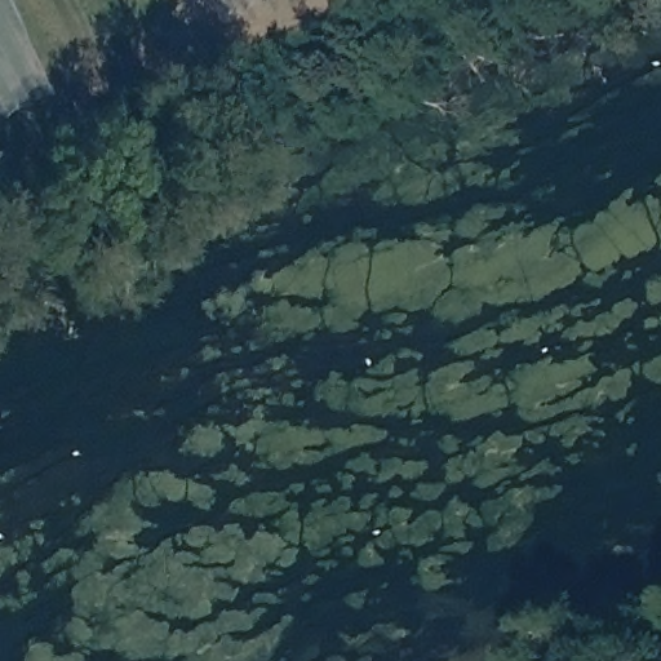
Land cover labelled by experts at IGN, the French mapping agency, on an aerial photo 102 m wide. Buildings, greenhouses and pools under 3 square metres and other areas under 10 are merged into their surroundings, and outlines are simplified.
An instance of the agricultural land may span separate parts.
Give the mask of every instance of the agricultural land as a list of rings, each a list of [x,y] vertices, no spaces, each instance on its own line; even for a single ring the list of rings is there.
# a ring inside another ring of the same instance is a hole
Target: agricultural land
[[[150,88],[160,83],[170,65],[176,65],[183,57],[183,46],[188,41],[194,46],[214,49],[243,41],[245,34],[266,34],[271,41],[276,41],[287,36],[284,28],[289,26],[320,21],[318,13],[328,8],[328,0],[0,0],[0,160],[8,168],[21,168],[41,160],[44,155],[52,155],[54,132],[83,114],[101,111],[108,121],[111,111],[121,98],[121,90]]]

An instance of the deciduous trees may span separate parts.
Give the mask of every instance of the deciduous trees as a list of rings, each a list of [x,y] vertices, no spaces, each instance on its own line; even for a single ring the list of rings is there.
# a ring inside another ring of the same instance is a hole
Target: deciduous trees
[[[661,661],[661,589],[648,586],[640,594],[640,604],[612,604],[599,620],[576,615],[558,604],[550,604],[545,609],[524,607],[519,615],[501,617],[501,633],[496,635],[496,643],[485,651],[483,661]]]
[[[385,119],[418,116],[426,101],[442,101],[442,93],[454,90],[454,77],[460,70],[475,70],[480,62],[491,65],[496,57],[506,59],[509,49],[534,46],[534,41],[560,39],[563,31],[568,31],[571,36],[589,36],[602,52],[635,57],[638,44],[630,28],[640,26],[646,36],[653,36],[661,44],[661,0],[328,0],[328,8],[318,13],[320,21],[289,26],[284,28],[287,36],[276,41],[271,41],[266,34],[245,34],[243,41],[214,49],[194,46],[188,41],[183,46],[183,57],[176,65],[170,65],[160,83],[150,88],[121,90],[121,98],[111,111],[108,121],[101,111],[83,114],[54,132],[52,155],[44,155],[41,160],[21,168],[8,168],[0,160],[0,356],[8,351],[13,331],[39,331],[49,318],[49,310],[59,310],[62,302],[49,297],[57,292],[57,279],[67,276],[88,315],[139,320],[145,305],[160,305],[163,297],[173,289],[173,271],[188,271],[199,266],[204,261],[209,240],[235,235],[240,230],[248,230],[250,219],[281,212],[284,212],[287,199],[297,188],[294,183],[302,176],[315,173],[307,165],[307,158],[312,152],[325,155],[333,139],[364,142],[372,132],[377,132],[377,127]]]

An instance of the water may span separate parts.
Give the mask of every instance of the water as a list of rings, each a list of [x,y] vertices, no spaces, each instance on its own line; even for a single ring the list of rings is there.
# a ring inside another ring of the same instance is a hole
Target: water
[[[26,661],[31,643],[52,646],[54,656],[72,653],[67,622],[72,620],[75,565],[72,560],[65,560],[52,571],[44,571],[44,560],[49,560],[59,550],[90,550],[98,537],[77,534],[80,522],[111,496],[119,480],[137,473],[173,473],[176,478],[194,480],[214,491],[212,509],[199,509],[191,501],[163,501],[160,506],[145,506],[142,501],[134,501],[132,511],[139,519],[150,522],[150,529],[142,529],[134,537],[134,545],[152,550],[160,547],[160,542],[165,542],[168,537],[183,534],[194,527],[222,529],[227,524],[238,524],[248,537],[253,537],[256,532],[274,534],[276,522],[281,522],[279,511],[263,516],[245,516],[232,511],[230,506],[232,501],[253,493],[279,493],[292,483],[305,483],[302,493],[292,493],[284,498],[289,503],[297,503],[300,516],[307,516],[315,501],[333,503],[338,498],[351,498],[354,514],[369,514],[364,529],[336,532],[328,542],[328,555],[312,555],[307,545],[300,542],[297,560],[281,576],[243,584],[235,599],[212,602],[212,609],[201,617],[173,617],[155,609],[145,615],[147,620],[163,622],[176,633],[188,633],[201,625],[217,622],[222,612],[263,609],[266,615],[253,627],[232,630],[232,640],[253,640],[269,633],[281,617],[292,615],[292,627],[281,635],[269,661],[483,661],[485,651],[496,643],[496,635],[501,633],[501,617],[519,615],[524,607],[545,609],[550,604],[558,604],[576,615],[599,620],[612,604],[640,604],[640,594],[648,586],[661,589],[661,382],[633,377],[627,392],[617,400],[563,411],[537,421],[524,421],[516,413],[516,405],[506,405],[498,413],[483,413],[467,421],[452,421],[442,413],[421,413],[421,423],[411,423],[408,416],[398,418],[333,411],[325,403],[315,400],[315,387],[333,372],[338,372],[343,380],[359,380],[369,361],[382,361],[385,356],[400,349],[421,351],[421,359],[400,359],[392,367],[398,374],[418,372],[418,385],[429,385],[429,374],[434,369],[462,361],[473,364],[473,369],[462,377],[462,382],[488,377],[491,382],[501,385],[522,364],[563,364],[571,359],[589,359],[594,369],[581,377],[576,387],[553,395],[550,405],[555,405],[581,395],[584,390],[596,387],[604,377],[615,374],[617,369],[625,369],[638,361],[661,359],[661,243],[638,256],[625,256],[615,261],[615,274],[602,287],[573,281],[532,302],[483,305],[478,315],[470,315],[460,323],[436,320],[426,310],[413,310],[408,315],[411,333],[400,333],[385,341],[374,336],[377,331],[382,331],[382,315],[364,312],[356,328],[343,333],[318,328],[312,338],[297,333],[284,341],[274,341],[258,351],[217,356],[209,361],[201,354],[201,341],[207,336],[207,325],[212,323],[204,312],[207,300],[214,300],[219,292],[235,292],[238,287],[248,284],[256,274],[274,276],[276,271],[292,266],[297,258],[307,256],[315,245],[336,240],[341,235],[351,235],[359,227],[377,230],[364,243],[367,248],[374,248],[382,240],[416,240],[416,225],[436,225],[444,217],[460,222],[475,207],[522,204],[524,209],[529,209],[532,219],[540,227],[560,217],[568,230],[576,230],[578,225],[591,222],[599,212],[604,212],[627,188],[633,191],[633,199],[638,204],[648,196],[656,196],[661,201],[661,49],[646,54],[638,67],[604,67],[581,85],[573,85],[568,103],[560,103],[555,108],[534,108],[529,114],[522,114],[516,121],[509,121],[506,127],[509,132],[516,132],[519,142],[475,155],[475,165],[503,170],[509,163],[519,163],[519,170],[511,173],[511,188],[467,186],[452,196],[439,196],[426,204],[395,207],[382,207],[354,191],[349,207],[310,207],[312,219],[302,225],[292,222],[284,212],[281,212],[284,219],[276,232],[263,232],[256,240],[238,240],[235,235],[209,240],[204,261],[199,266],[188,271],[173,271],[173,289],[163,297],[160,305],[145,305],[139,320],[88,315],[67,276],[57,279],[57,292],[49,297],[62,302],[67,310],[67,320],[72,320],[75,325],[67,328],[67,333],[54,328],[39,331],[13,331],[8,351],[0,356],[0,547],[8,547],[13,540],[23,537],[31,522],[44,522],[44,545],[34,545],[28,560],[8,565],[0,576],[0,596],[18,594],[18,573],[23,571],[31,576],[31,591],[36,596],[23,609],[0,609],[0,661]],[[591,323],[594,318],[609,312],[617,302],[635,302],[635,312],[607,336],[581,336],[568,341],[558,333],[542,333],[534,343],[496,343],[501,356],[493,359],[483,359],[478,351],[452,351],[452,341],[465,338],[475,331],[506,331],[501,315],[514,315],[516,320],[524,320],[540,312],[550,312],[558,305],[581,305],[589,300],[602,300],[599,307],[589,307],[581,315],[563,315],[560,323],[568,328],[573,328],[576,323]],[[369,426],[385,431],[385,439],[356,444],[320,462],[292,465],[284,470],[258,467],[256,454],[240,447],[235,436],[225,436],[222,449],[209,457],[181,452],[181,444],[194,431],[194,426],[243,426],[250,421],[253,408],[258,408],[256,400],[238,398],[238,390],[219,392],[217,385],[217,374],[235,369],[245,369],[245,380],[250,380],[256,390],[274,387],[287,395],[294,395],[294,405],[276,405],[266,416],[266,421],[287,421],[300,429]],[[514,454],[522,467],[550,462],[560,470],[555,475],[506,475],[485,488],[473,485],[467,478],[452,483],[436,498],[423,501],[413,496],[418,485],[439,483],[447,473],[447,462],[465,457],[475,447],[475,439],[488,439],[493,434],[514,436],[584,416],[602,421],[589,423],[589,431],[581,434],[576,444],[563,447],[553,436],[542,444],[522,444]],[[367,473],[356,473],[346,465],[367,454],[372,460],[426,462],[426,470],[413,478],[395,475],[390,480],[377,483],[369,480]],[[374,540],[374,529],[390,529],[390,524],[377,522],[382,506],[408,509],[408,522],[416,522],[426,511],[444,511],[452,501],[475,509],[485,501],[503,498],[516,488],[550,485],[560,485],[560,496],[534,503],[532,524],[511,547],[503,550],[488,550],[488,537],[493,534],[491,524],[465,527],[462,537],[447,537],[444,532],[434,532],[434,540],[423,545],[380,547]],[[470,542],[470,553],[457,553],[454,560],[442,565],[442,573],[447,578],[462,576],[462,584],[442,589],[423,589],[413,584],[421,560],[436,555],[444,545],[465,540]],[[374,640],[367,640],[361,646],[346,646],[341,640],[341,633],[359,635],[367,633],[372,625],[398,625],[390,638],[377,635]]]
[[[320,297],[253,292],[245,300],[256,307],[287,302],[292,307],[323,310],[331,300],[328,289]]]
[[[127,658],[119,651],[93,651],[88,661],[183,661],[183,656]]]
[[[560,39],[534,41],[534,46],[534,62],[547,65],[555,57],[576,49],[576,41],[571,36],[568,31],[563,31]]]

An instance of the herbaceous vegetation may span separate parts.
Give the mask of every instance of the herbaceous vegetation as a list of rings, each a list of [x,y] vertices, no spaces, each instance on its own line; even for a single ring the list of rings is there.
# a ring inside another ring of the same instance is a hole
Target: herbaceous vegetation
[[[23,609],[36,596],[31,591],[31,576],[23,571],[18,573],[18,594],[0,596],[0,609]]]
[[[581,434],[589,431],[589,423],[602,421],[584,416],[514,436],[493,434],[488,439],[475,439],[475,447],[465,457],[447,462],[447,473],[439,483],[418,485],[413,496],[423,501],[436,498],[452,483],[467,478],[473,485],[485,488],[506,475],[555,475],[560,470],[550,462],[522,467],[514,454],[522,444],[542,444],[553,436],[563,447],[576,444]]]
[[[421,560],[413,584],[423,589],[442,589],[462,584],[462,576],[447,578],[442,573],[442,565],[454,560],[457,553],[470,553],[470,542],[465,540],[444,545],[436,555]]]
[[[312,219],[310,207],[349,207],[354,191],[382,207],[395,207],[426,204],[439,196],[452,196],[467,186],[511,188],[511,173],[519,170],[519,163],[509,163],[503,170],[475,165],[475,155],[519,142],[516,132],[509,132],[506,127],[509,121],[516,121],[522,114],[529,114],[534,108],[555,108],[560,103],[568,103],[573,85],[581,85],[604,67],[638,67],[646,54],[661,49],[661,44],[653,36],[646,36],[640,26],[630,28],[638,44],[635,57],[602,52],[589,36],[571,36],[576,41],[576,49],[555,57],[547,65],[534,62],[534,46],[509,49],[506,59],[496,57],[491,65],[480,62],[475,70],[460,70],[454,77],[454,90],[442,93],[442,101],[426,101],[418,116],[385,119],[377,127],[377,132],[372,132],[364,142],[333,139],[325,155],[312,152],[307,158],[307,165],[315,173],[302,176],[294,183],[297,188],[287,199],[284,212],[292,222],[302,225]]]
[[[44,522],[31,522],[23,537],[13,540],[8,547],[0,547],[0,576],[8,565],[28,560],[34,545],[44,545]]]
[[[661,382],[661,359],[638,361],[625,369],[617,369],[615,374],[604,377],[596,387],[584,390],[581,395],[555,405],[550,405],[553,395],[576,387],[581,377],[594,369],[589,359],[571,359],[563,364],[522,364],[501,385],[491,382],[488,377],[462,382],[462,377],[473,369],[473,364],[462,361],[434,369],[429,374],[429,385],[418,385],[418,372],[398,374],[392,367],[400,359],[421,359],[421,351],[400,349],[385,356],[382,361],[369,361],[359,380],[343,380],[338,372],[333,372],[315,387],[315,400],[325,403],[333,411],[398,418],[408,416],[411,423],[421,423],[421,413],[442,413],[452,421],[467,421],[483,413],[498,413],[506,405],[516,405],[516,413],[524,421],[537,421],[563,411],[617,400],[627,392],[633,377]]]
[[[77,534],[98,537],[90,550],[59,550],[49,560],[44,560],[44,571],[52,571],[65,560],[72,560],[75,565],[72,620],[67,622],[72,653],[54,656],[52,646],[31,643],[26,661],[88,661],[93,651],[119,651],[127,658],[183,656],[183,661],[269,661],[281,635],[292,627],[292,615],[281,617],[269,633],[253,640],[232,640],[232,630],[253,627],[266,615],[263,609],[222,612],[217,622],[201,625],[188,633],[176,633],[163,622],[147,620],[145,615],[155,609],[173,617],[201,617],[212,609],[212,602],[235,599],[243,584],[281,576],[297,560],[300,542],[307,545],[312,555],[328,555],[328,542],[336,532],[364,529],[369,514],[354,514],[351,498],[338,498],[333,503],[315,501],[307,516],[300,516],[297,503],[289,503],[284,498],[292,493],[302,493],[305,483],[292,483],[279,493],[253,493],[232,501],[230,506],[232,511],[245,516],[263,516],[279,511],[281,522],[276,522],[274,534],[256,532],[253,537],[248,537],[238,524],[227,524],[222,529],[194,527],[183,534],[168,537],[165,542],[160,542],[160,547],[152,550],[134,545],[134,537],[142,529],[150,529],[150,522],[139,519],[132,511],[134,501],[142,501],[145,506],[160,506],[163,501],[191,501],[199,509],[212,509],[214,491],[194,480],[176,478],[173,473],[137,473],[119,480],[111,496],[80,522]]]
[[[341,235],[336,240],[315,245],[307,256],[297,258],[292,266],[276,271],[274,276],[256,274],[248,284],[238,287],[235,292],[219,292],[214,300],[207,300],[204,312],[212,323],[207,325],[207,336],[201,341],[201,354],[209,361],[217,356],[258,351],[274,341],[284,341],[297,333],[312,338],[318,328],[343,333],[356,328],[364,312],[382,315],[382,331],[377,331],[374,336],[385,341],[400,333],[411,333],[408,315],[413,310],[426,310],[436,320],[460,323],[470,315],[478,315],[483,305],[532,302],[573,281],[602,287],[615,274],[615,261],[625,256],[638,256],[661,243],[661,201],[656,196],[648,196],[638,204],[633,199],[633,191],[627,188],[604,212],[599,212],[591,222],[578,225],[576,230],[568,230],[560,217],[540,227],[532,219],[529,209],[524,209],[522,204],[475,207],[460,222],[444,217],[436,225],[416,225],[416,240],[382,240],[374,248],[367,248],[364,243],[377,230],[359,227],[351,235]],[[328,289],[331,300],[323,310],[292,307],[287,302],[256,307],[245,300],[253,292],[320,297]]]
[[[390,480],[395,475],[413,478],[426,470],[426,462],[372,460],[367,454],[346,465],[356,473],[367,473],[369,480],[377,483]]]
[[[67,333],[67,328],[75,325],[72,320],[67,320],[67,310],[62,302],[59,310],[49,310],[49,318],[39,331],[54,328]]]
[[[240,230],[235,235],[238,240],[256,240],[263,232],[276,232],[284,219],[281,212],[250,219],[248,230]]]
[[[266,416],[276,405],[294,405],[294,395],[287,395],[274,387],[256,390],[250,380],[245,380],[245,369],[235,369],[217,374],[217,385],[219,392],[238,390],[238,398],[256,400],[258,408],[253,408],[250,421],[243,426],[194,426],[194,431],[181,444],[181,452],[209,457],[222,449],[225,436],[235,436],[240,447],[256,454],[258,467],[284,470],[292,465],[320,462],[356,444],[385,439],[385,431],[369,426],[300,429],[287,421],[266,421]]]
[[[503,550],[511,547],[532,524],[534,503],[560,496],[560,485],[550,485],[516,488],[503,498],[485,501],[475,509],[452,501],[444,511],[426,511],[416,522],[408,522],[408,509],[382,506],[377,522],[390,524],[390,529],[374,529],[374,540],[380,547],[423,545],[434,540],[434,532],[444,532],[447,537],[462,537],[465,527],[491,524],[493,534],[488,537],[488,550]]]
[[[372,625],[367,633],[359,635],[341,633],[341,640],[346,646],[361,646],[367,640],[374,640],[377,635],[390,638],[398,625]]]
[[[599,307],[602,300],[589,300],[581,305],[558,305],[550,312],[540,312],[524,320],[516,320],[514,315],[501,315],[506,331],[475,331],[465,338],[452,341],[452,351],[478,351],[483,359],[493,359],[501,356],[496,343],[534,343],[542,333],[558,333],[568,341],[581,336],[607,336],[635,312],[635,302],[617,302],[609,312],[594,318],[591,323],[576,323],[573,328],[568,328],[560,323],[563,315],[581,315],[589,307]]]

